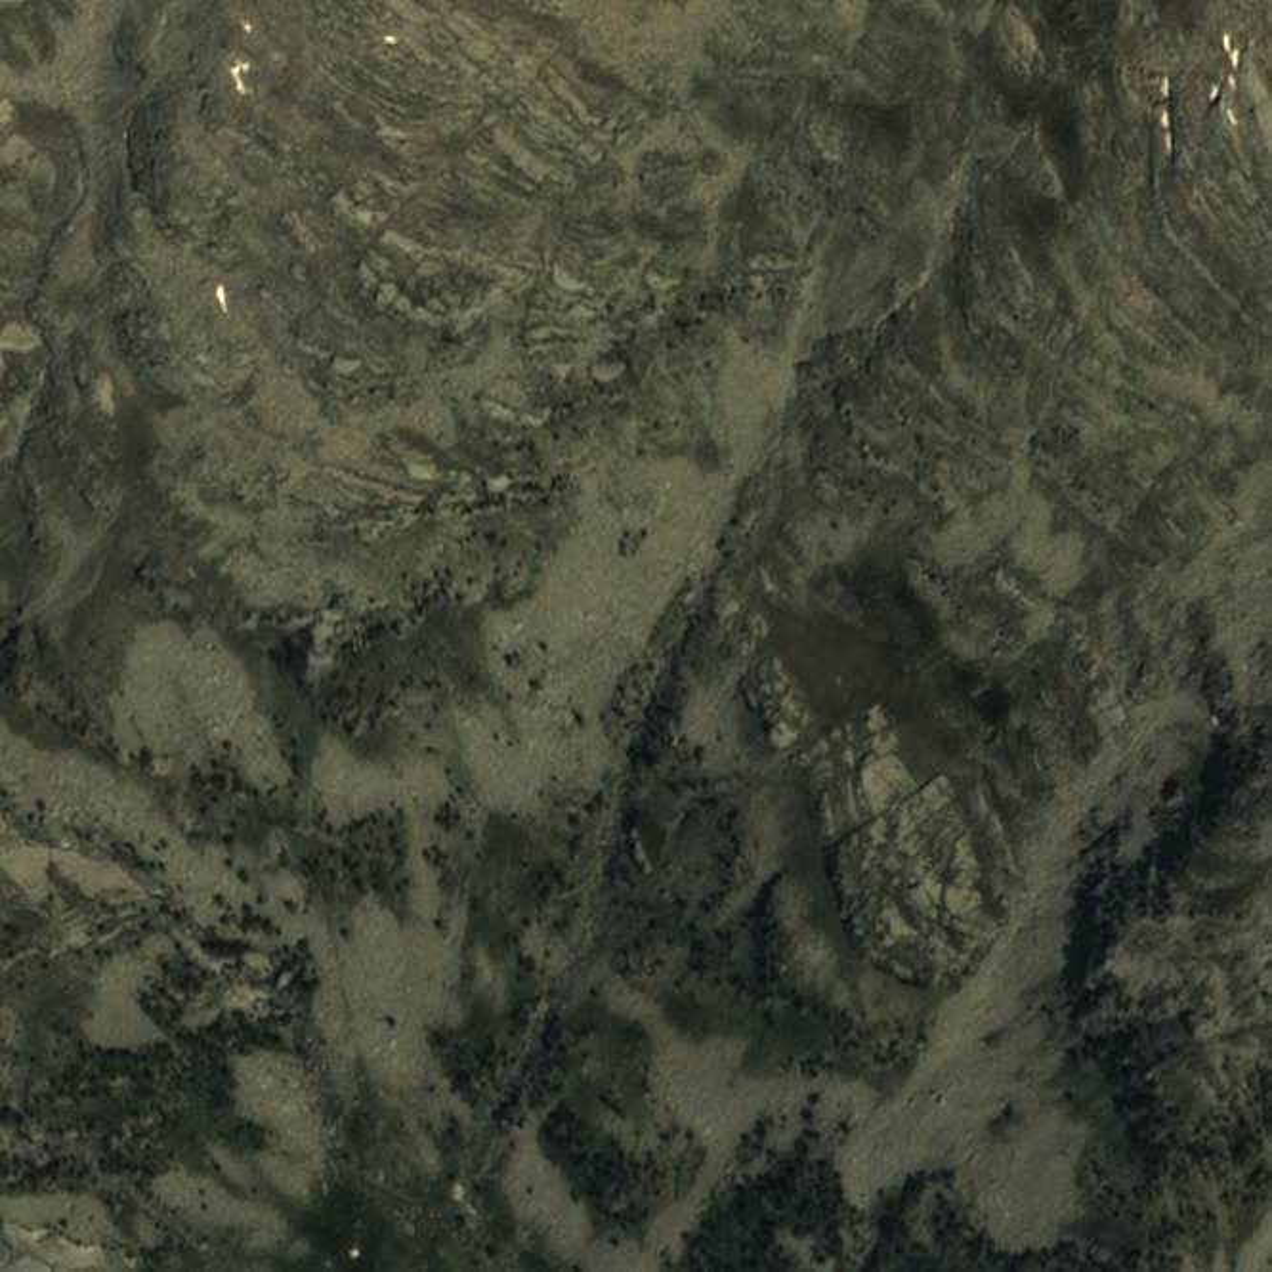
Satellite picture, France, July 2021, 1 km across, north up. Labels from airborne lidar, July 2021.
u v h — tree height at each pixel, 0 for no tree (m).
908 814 0
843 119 0
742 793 0
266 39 0
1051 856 0
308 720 0
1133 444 0
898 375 0
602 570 0
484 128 0
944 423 0
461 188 0
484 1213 0
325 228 0
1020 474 0
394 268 0
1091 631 0
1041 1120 0
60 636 0
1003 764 0
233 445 0
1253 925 0
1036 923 0
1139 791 0
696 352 0
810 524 0
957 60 0
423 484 0
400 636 0
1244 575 0
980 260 0
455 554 0
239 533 0
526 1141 0
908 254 0
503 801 0
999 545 0
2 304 0
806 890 0
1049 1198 0
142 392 0
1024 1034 0
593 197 0
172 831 0
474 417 0
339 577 0
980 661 0
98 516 0
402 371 0
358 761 0
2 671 6
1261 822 0
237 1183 0
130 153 0
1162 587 0
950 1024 0
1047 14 0
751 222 0
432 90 0
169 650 0
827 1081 0
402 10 0
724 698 0
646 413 0
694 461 0
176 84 0
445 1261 0
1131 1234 0
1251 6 0
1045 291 0
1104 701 0
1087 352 0
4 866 0
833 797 0
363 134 0
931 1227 0
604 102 0
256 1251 0
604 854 0
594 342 0
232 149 0
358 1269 0
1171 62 0
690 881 0
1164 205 0
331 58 0
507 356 0
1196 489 0
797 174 0
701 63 0
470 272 0
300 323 0
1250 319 0
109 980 0
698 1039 0
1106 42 0
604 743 0
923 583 0
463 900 0
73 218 0
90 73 0
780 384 0
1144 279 0
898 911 0
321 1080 0
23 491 0
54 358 0
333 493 0
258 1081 0
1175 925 0
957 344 0
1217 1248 0
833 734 0
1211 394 0
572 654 0
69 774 0
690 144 0
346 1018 0
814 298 0
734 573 0
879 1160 0
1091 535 0
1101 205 0
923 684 0
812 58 0
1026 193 0
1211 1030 0
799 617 0
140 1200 0
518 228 0
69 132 0
